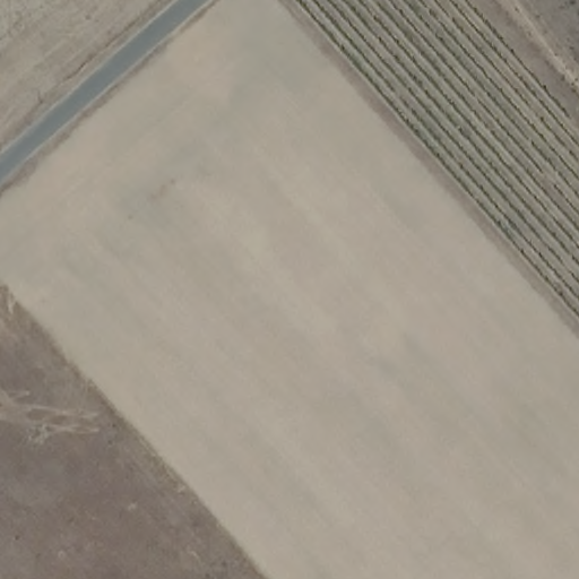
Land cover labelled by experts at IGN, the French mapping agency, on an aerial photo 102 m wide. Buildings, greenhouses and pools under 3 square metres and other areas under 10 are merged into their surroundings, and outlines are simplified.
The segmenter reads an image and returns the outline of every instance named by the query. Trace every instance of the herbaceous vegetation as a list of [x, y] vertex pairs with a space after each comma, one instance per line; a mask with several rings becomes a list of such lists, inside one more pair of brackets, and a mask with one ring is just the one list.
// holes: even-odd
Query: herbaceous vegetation
[[0, 199], [7, 190], [23, 183], [23, 179], [27, 179], [38, 167], [38, 163], [45, 156], [57, 152], [61, 142], [66, 142], [72, 136], [72, 131], [86, 118], [102, 109], [120, 86], [136, 77], [156, 54], [165, 52], [170, 43], [167, 36], [152, 45], [145, 54], [140, 54], [120, 77], [115, 77], [106, 88], [102, 88], [45, 142], [41, 142], [7, 176], [0, 179]]
[[181, 25], [190, 27], [192, 23], [197, 23], [206, 14], [206, 9], [210, 9], [217, 0], [206, 0]]
[[52, 90], [43, 93], [32, 104], [27, 115], [16, 127], [5, 131], [5, 136], [0, 138], [0, 156], [7, 154], [16, 142], [20, 142], [32, 129], [36, 129], [81, 84], [86, 84], [97, 70], [102, 70], [120, 50], [124, 50], [138, 34], [142, 34], [179, 0], [154, 0], [122, 29], [109, 32], [106, 38], [102, 43], [95, 43], [90, 52], [68, 63], [54, 79]]

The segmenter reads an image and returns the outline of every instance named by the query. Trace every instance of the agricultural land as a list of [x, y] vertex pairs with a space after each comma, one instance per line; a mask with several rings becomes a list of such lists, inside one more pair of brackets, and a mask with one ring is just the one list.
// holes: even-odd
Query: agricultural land
[[206, 9], [206, 14], [197, 23], [192, 23], [190, 27], [181, 25], [167, 36], [170, 43], [165, 52], [156, 54], [136, 77], [120, 86], [102, 109], [86, 118], [72, 131], [72, 136], [66, 142], [61, 142], [57, 152], [45, 156], [38, 163], [38, 167], [27, 179], [23, 179], [23, 183], [7, 190], [0, 199], [0, 579], [579, 579], [579, 335], [574, 335], [559, 319], [556, 312], [552, 312], [547, 301], [529, 287], [520, 271], [507, 260], [507, 256], [498, 251], [498, 247], [482, 233], [482, 228], [461, 210], [457, 199], [452, 199], [434, 181], [427, 167], [362, 100], [355, 86], [312, 43], [312, 38], [294, 23], [294, 18], [278, 0], [217, 0], [210, 9]]
[[54, 79], [68, 63], [90, 52], [95, 43], [102, 43], [106, 38], [109, 32], [122, 29], [154, 0], [0, 0], [0, 138], [5, 136], [5, 131], [16, 127], [27, 115], [32, 104], [43, 93], [52, 90]]
[[520, 0], [525, 11], [529, 14], [529, 18], [536, 20], [538, 29], [547, 36], [552, 47], [556, 52], [568, 50], [572, 61], [579, 66], [579, 0]]

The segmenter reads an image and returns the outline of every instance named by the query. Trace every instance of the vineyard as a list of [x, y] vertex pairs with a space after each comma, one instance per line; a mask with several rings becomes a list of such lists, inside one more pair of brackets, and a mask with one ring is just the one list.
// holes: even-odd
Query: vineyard
[[482, 228], [482, 233], [498, 247], [498, 251], [507, 256], [507, 260], [520, 271], [529, 287], [547, 301], [552, 312], [556, 312], [559, 319], [574, 335], [579, 335], [579, 66], [572, 61], [568, 50], [556, 52], [552, 47], [547, 36], [538, 29], [536, 20], [529, 18], [529, 14], [525, 11], [520, 0], [278, 0], [294, 18], [294, 23], [312, 38], [312, 43], [355, 86], [362, 100], [427, 167], [434, 181], [452, 199], [457, 199], [461, 210]]

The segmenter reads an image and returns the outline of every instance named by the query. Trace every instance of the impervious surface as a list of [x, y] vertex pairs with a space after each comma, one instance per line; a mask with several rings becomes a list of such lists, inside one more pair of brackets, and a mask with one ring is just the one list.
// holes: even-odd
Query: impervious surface
[[20, 142], [16, 142], [7, 154], [0, 156], [0, 179], [7, 176], [41, 142], [45, 142], [102, 88], [106, 88], [115, 77], [120, 77], [140, 54], [145, 54], [152, 45], [167, 36], [181, 25], [206, 0], [179, 0], [142, 34], [138, 34], [124, 50], [120, 50], [102, 70], [97, 70], [86, 84], [81, 84], [36, 129], [32, 129]]

